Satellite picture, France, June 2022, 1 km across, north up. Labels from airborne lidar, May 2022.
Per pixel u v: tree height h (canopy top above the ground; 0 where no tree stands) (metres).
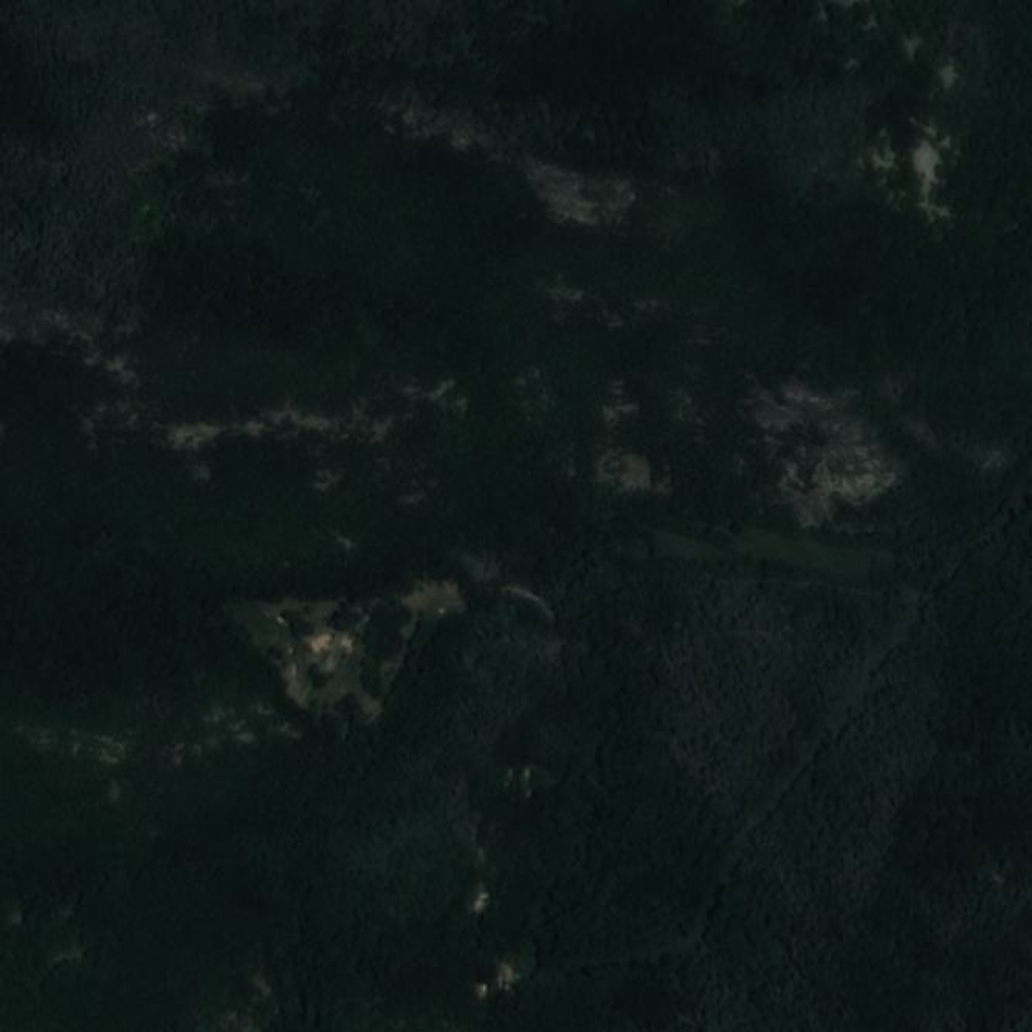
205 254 17
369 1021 10
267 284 24
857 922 18
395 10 14
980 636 18
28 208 11
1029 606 8
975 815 16
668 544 0
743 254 15
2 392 16
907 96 13
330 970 11
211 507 14
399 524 16
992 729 12
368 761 25
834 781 15
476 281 21
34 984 16
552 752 19
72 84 16
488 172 9
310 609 8
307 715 11
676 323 7
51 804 15
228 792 13
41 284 12
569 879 25
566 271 8
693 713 11
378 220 13
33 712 12
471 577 10
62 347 8
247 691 12
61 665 18
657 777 17
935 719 9
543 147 8
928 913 19
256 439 7
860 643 15
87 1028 17
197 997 19
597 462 7
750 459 8
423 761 22
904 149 12
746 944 13
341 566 16
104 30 0
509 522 16
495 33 15
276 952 29
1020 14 9
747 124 6
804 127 8
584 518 22
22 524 16
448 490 13
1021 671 10
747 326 9
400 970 11
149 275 13
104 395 7
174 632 18
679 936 7
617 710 13
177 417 6
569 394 11
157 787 8
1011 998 10
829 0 9
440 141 8
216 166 7
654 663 7
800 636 16
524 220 13
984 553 13
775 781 11
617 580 7
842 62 9
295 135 11
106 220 9
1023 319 13
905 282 16
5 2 7
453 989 22
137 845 17
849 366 18
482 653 15
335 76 10
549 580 16
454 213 19
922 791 14
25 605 21
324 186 16
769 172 9
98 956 19
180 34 9
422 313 25
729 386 13
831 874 18
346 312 21
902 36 7
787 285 21
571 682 19
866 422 8
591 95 21
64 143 12
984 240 18
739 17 9
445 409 8
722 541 12
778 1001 17
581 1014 20
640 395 18
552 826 16
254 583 20
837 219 11
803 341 17
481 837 9
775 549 0
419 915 11
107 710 10
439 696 14
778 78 10
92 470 14
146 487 14
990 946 14
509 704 9
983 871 12
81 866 23
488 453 19
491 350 18
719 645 9
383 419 6
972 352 15
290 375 8
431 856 9
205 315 13
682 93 19
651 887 22
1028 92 11
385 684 18
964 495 16
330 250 16
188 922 31
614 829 18
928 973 17
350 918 16
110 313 7
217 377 9
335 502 13
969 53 7
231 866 25
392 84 11
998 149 11
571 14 13
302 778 17
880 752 7
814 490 7
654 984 8
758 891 10
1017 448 12
